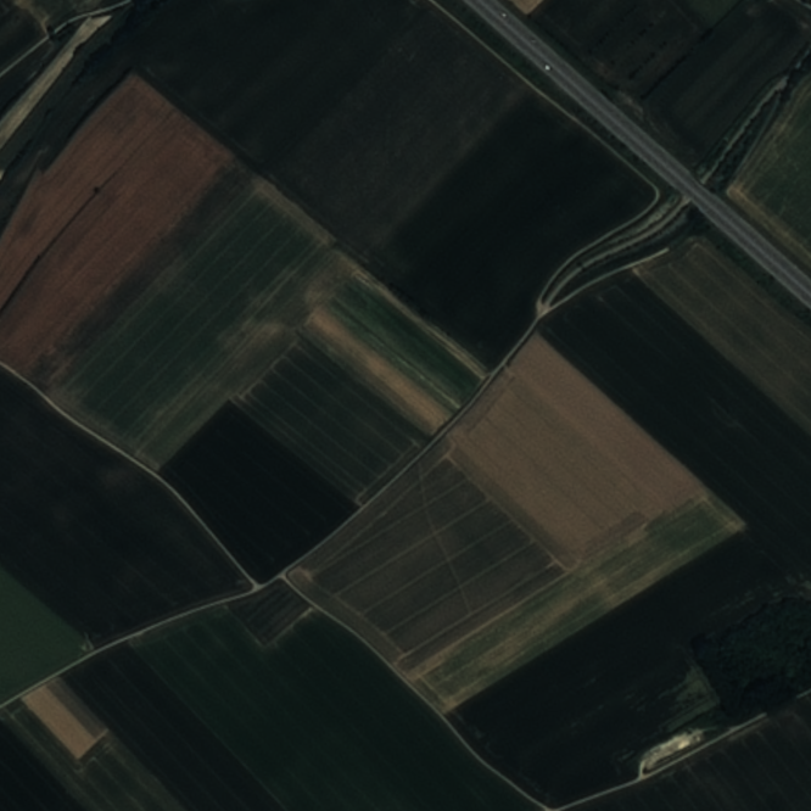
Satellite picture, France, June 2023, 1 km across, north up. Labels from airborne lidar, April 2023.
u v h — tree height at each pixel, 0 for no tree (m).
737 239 0
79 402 0
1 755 0
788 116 0
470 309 0
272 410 0
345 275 0
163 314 0
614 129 0
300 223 0
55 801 0
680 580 0
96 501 0
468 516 0
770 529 0
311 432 0
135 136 0
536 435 0
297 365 0
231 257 0
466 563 0
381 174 0
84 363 0
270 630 0
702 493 0
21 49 0
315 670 0
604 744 0
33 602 0
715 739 0
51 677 0
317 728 0
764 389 0
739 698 13
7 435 0
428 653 0
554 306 0
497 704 0
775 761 0
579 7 0
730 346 0
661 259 0
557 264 0
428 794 0
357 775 0
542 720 0
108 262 0
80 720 0
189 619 0
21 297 0
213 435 0
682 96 0
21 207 0
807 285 0
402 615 0
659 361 0
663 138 0
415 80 0
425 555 0
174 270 0
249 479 0
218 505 0
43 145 0
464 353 0
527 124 0
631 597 0
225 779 0
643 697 0
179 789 0
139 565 0
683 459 0
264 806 0
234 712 0
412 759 0
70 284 0
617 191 0
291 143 0
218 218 0
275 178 0
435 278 0
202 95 0
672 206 0
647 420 0
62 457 0
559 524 0
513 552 0
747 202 0
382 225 0
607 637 0
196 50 0
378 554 0
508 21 0
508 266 0
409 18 0
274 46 0
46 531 0
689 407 0
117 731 0
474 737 0
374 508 0
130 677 0
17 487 0
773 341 0
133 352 0
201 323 0
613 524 0
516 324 0
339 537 0
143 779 0
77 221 0
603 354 0
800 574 0
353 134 0
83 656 0
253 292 0
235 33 0
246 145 0
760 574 0
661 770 0
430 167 0
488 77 0
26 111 0
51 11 0
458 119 0
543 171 0
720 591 0
